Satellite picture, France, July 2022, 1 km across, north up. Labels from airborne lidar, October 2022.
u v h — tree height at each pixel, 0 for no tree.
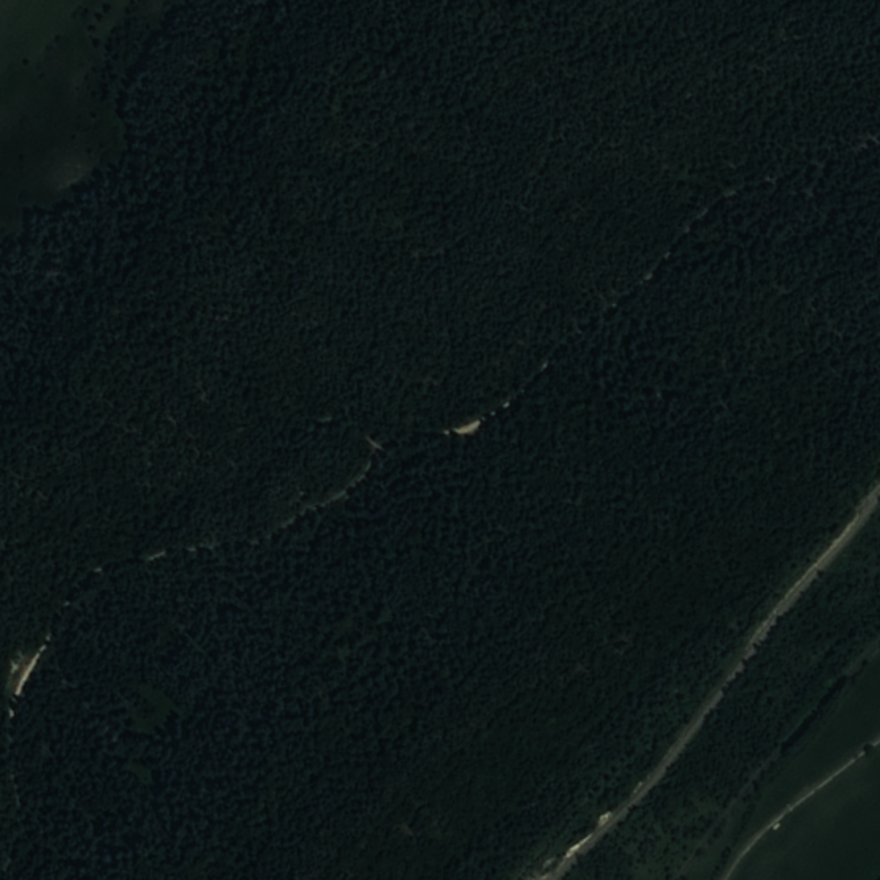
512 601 20
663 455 11
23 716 27
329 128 18
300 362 9
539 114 19
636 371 20
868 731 0
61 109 0
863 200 24
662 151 13
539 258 10
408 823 8
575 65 15
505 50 23
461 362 16
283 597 35
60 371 13
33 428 22
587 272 8
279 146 10
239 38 9
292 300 22
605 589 12
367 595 15
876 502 0
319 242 15
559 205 11
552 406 12
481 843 20
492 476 21
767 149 26
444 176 14
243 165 15
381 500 30
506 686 16
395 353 7
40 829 23
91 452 11
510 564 20
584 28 12
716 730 11
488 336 20
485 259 18
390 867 9
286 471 14
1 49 0
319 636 21
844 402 12
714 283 15
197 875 15
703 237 7
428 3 19
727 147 17
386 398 11
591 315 25
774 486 13
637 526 17
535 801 27
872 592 7
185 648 23
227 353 17
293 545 34
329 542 26
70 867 31
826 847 0
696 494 20
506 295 22
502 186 14
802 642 16
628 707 18
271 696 27
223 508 18
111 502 13
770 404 19
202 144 23
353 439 19
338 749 13
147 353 17
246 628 8
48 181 0
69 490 16
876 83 21
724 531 12
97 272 20
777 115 18
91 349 16
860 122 19
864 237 6
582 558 6
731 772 12
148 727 0
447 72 18
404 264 10
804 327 11
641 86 15
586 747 16
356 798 21
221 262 22
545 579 25
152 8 0
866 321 13
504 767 15
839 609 7
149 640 23
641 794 0
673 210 23
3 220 0
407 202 15
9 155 0
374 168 10
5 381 18
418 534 25
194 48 28
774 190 27
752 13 21
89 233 31
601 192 18
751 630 16
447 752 14
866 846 0
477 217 18
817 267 15
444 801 12
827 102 14
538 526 21
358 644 25
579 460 10
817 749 0
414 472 34
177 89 28
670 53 6
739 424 12
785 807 0
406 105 16
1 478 14
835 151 10
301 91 15
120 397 20
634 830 10
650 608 25
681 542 16
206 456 10
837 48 8
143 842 28
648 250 18
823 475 21
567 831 10
